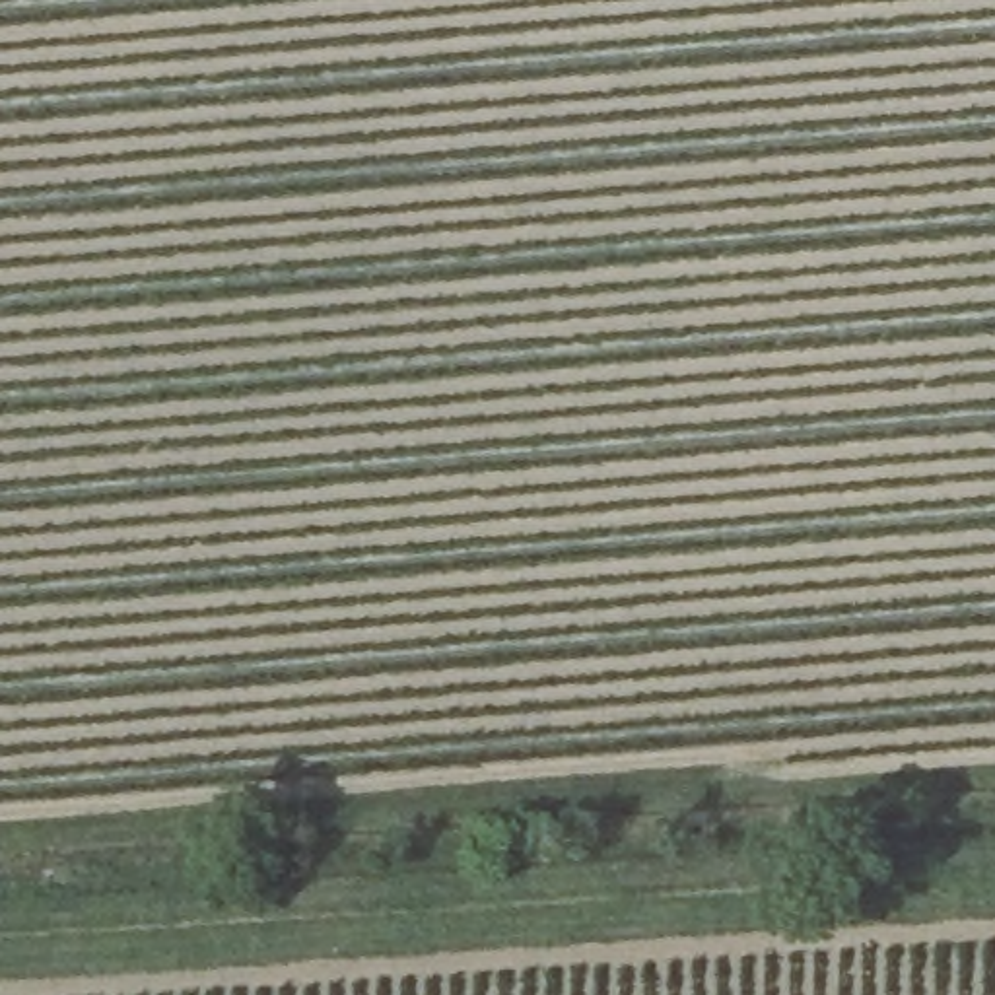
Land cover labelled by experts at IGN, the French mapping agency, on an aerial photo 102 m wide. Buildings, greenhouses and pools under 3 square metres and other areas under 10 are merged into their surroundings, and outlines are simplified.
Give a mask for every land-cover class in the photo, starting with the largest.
<instances>
[{"label":"vineyard","instance_id":"1","mask_svg":"<svg viewBox=\"0 0 995 995\"><path fill-rule=\"evenodd\" d=\"M288 750L295 762H323L338 777L342 797L334 816L342 840L354 851L361 843H404L408 824L416 816L443 812L451 824H459L463 816H486L494 805H525L529 812H544L548 820L556 812H587L583 797L606 793L637 797L641 812L665 793H676L688 808L723 781L727 770L770 781L867 777L894 773L906 766H995V0H0V824L202 805L222 797L225 805L245 812L253 789H276L272 766H280V754ZM0 995H995V917H956L929 925H859L832 929V937L824 941L777 933L657 937L560 948H474L365 960H295L264 968L0 979Z\"/></svg>","mask_w":995,"mask_h":995},{"label":"herbaceous vegetation","instance_id":"2","mask_svg":"<svg viewBox=\"0 0 995 995\"><path fill-rule=\"evenodd\" d=\"M276 789H253L245 812L241 847L249 851V871L257 878V890L276 902L272 909H260V925H222L187 882L163 898H89L74 909H58L54 925L47 929H23V921H12V913L0 909V979L264 968L295 960H365L474 948H560L657 937L777 933L762 913L766 886L758 882V867L738 859L742 832L723 816V781L688 808L676 816V824L692 836L711 840L715 855L684 867H665L653 847L634 843L626 836V824L641 812L637 797L606 793L583 797L587 812L595 816V836L583 847V871L560 875L552 863H540L525 851H505L509 878L501 882V890H470L459 867L451 875H404L393 882L385 878L365 886L354 878H319L326 855L342 840L334 816L342 797L338 777L323 762H295L288 750L280 754V766H272ZM968 773L960 766H906L894 773L867 777L851 797L828 793L832 820L824 824L832 832L867 836L875 851L890 863L886 878H871L859 886V925H929L956 917H995V836L976 840L979 824L960 816ZM206 820L202 805L0 824V875L43 878L47 867L97 863L101 851H109L113 859H136L163 855L171 843L187 847L198 824ZM443 832H451V824L443 812L416 816L408 824L404 843V863H420L431 855Z\"/></svg>","mask_w":995,"mask_h":995},{"label":"deciduous trees","instance_id":"3","mask_svg":"<svg viewBox=\"0 0 995 995\"><path fill-rule=\"evenodd\" d=\"M968 773L960 816L979 824L976 840L995 836V766H960ZM867 777L770 781L727 770L723 781V816L742 832L738 859L758 867V882L766 886L762 913L777 933L824 941L832 937V929L859 925V886L871 878H886L890 863L875 851L867 836L832 832L824 824L832 820L828 793L851 797ZM688 808L676 793H665L641 812L626 824V836L634 843L653 847L665 867H684L715 855L711 840L692 836L676 824V816ZM206 820L198 824L187 847L171 843L163 855L136 859H113L109 851H101L97 863L47 867L43 878L0 875V909L12 913V921H23V929H47L54 925L58 909H74L89 898H163L187 882L222 925H260V909H272L276 902L257 890V878L249 871V851L241 847L245 812L225 805L222 797L202 805ZM595 836V816L587 812H556L548 820L544 812H529L525 805H494L486 816H463L459 824H451V832H443L431 855L420 863H404V843H361L354 851L342 840L326 855L319 878H354L365 886L385 878L393 882L404 875H451L459 867L470 890H501V882L509 878L505 851H525L540 863H552L560 875L583 871V847Z\"/></svg>","mask_w":995,"mask_h":995}]
</instances>
